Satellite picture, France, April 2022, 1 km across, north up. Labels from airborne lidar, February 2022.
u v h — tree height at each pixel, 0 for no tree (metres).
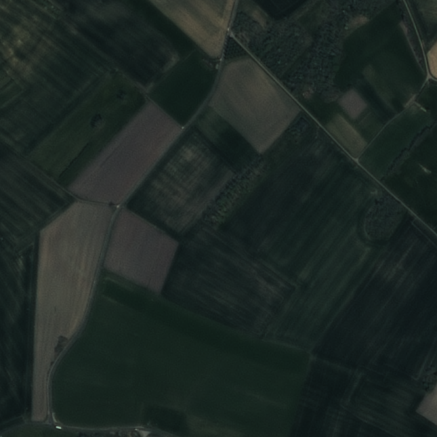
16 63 0
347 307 0
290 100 0
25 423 0
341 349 0
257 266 0
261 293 0
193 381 0
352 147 0
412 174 0
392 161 0
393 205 17
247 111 0
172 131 0
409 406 0
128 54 0
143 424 0
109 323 0
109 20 0
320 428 0
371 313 0
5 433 0
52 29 0
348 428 0
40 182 0
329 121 0
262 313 0
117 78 0
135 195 0
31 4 0
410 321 0
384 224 17
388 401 0
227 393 0
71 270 0
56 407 0
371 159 0
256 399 0
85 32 0
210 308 0
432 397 0
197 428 0
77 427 0
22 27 0
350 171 0
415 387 0
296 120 0
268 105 0
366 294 0
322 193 0
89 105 0
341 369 0
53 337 0
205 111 0
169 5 0
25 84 0
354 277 0
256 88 0
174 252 0
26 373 0
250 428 0
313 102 0
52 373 0
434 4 0
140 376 0
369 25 0
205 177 0
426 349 0
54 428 0
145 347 0
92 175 0
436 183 0
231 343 0
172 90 0
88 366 0
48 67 0
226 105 0
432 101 0
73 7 0
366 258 0
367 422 0
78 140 0
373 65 0
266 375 0
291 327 0
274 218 0
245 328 0
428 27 0
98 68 0
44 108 0
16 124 0
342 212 0
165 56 0
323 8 0
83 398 0
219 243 0
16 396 0
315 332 0
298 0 0
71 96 0
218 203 17
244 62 0
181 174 0
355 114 0
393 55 0
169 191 0
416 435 0
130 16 0
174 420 0
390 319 0
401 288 0
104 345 0
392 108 0
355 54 0
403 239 0
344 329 0
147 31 0
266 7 0
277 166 0
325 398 0
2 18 0
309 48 0
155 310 0
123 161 0
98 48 0
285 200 0
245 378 0
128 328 0
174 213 0
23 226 0
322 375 0
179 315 0
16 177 0
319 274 0
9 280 0
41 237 0
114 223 0
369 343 0
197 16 0
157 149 0
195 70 0
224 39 0
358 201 0
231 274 0
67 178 0
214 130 0
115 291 0
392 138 0
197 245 0
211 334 0
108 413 0
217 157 0
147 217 0
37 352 0
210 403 0
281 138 0
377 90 0
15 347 0
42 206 0
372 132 0
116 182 0
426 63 0
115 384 0
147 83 0
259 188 0
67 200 0
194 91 0
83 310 0
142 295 0
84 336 0
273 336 0
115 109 0
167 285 0
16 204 0
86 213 0
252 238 0
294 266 0
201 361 0
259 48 13
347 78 0
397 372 0
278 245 0
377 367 0
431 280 0
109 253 0
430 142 0
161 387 0
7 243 0
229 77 0
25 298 0
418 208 0
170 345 0
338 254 0
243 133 0
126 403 0
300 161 0
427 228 0
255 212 0
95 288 0
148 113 0
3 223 0
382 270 0
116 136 0
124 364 0
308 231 0
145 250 0
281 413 0
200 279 0
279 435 0
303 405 0
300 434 0
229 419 0
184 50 0
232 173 0
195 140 0
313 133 0
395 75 0
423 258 0
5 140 0
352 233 0
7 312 0
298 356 0
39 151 0
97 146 0
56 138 0
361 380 0
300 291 0
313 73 25
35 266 0
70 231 0
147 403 0
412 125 0
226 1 0
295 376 0
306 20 0
